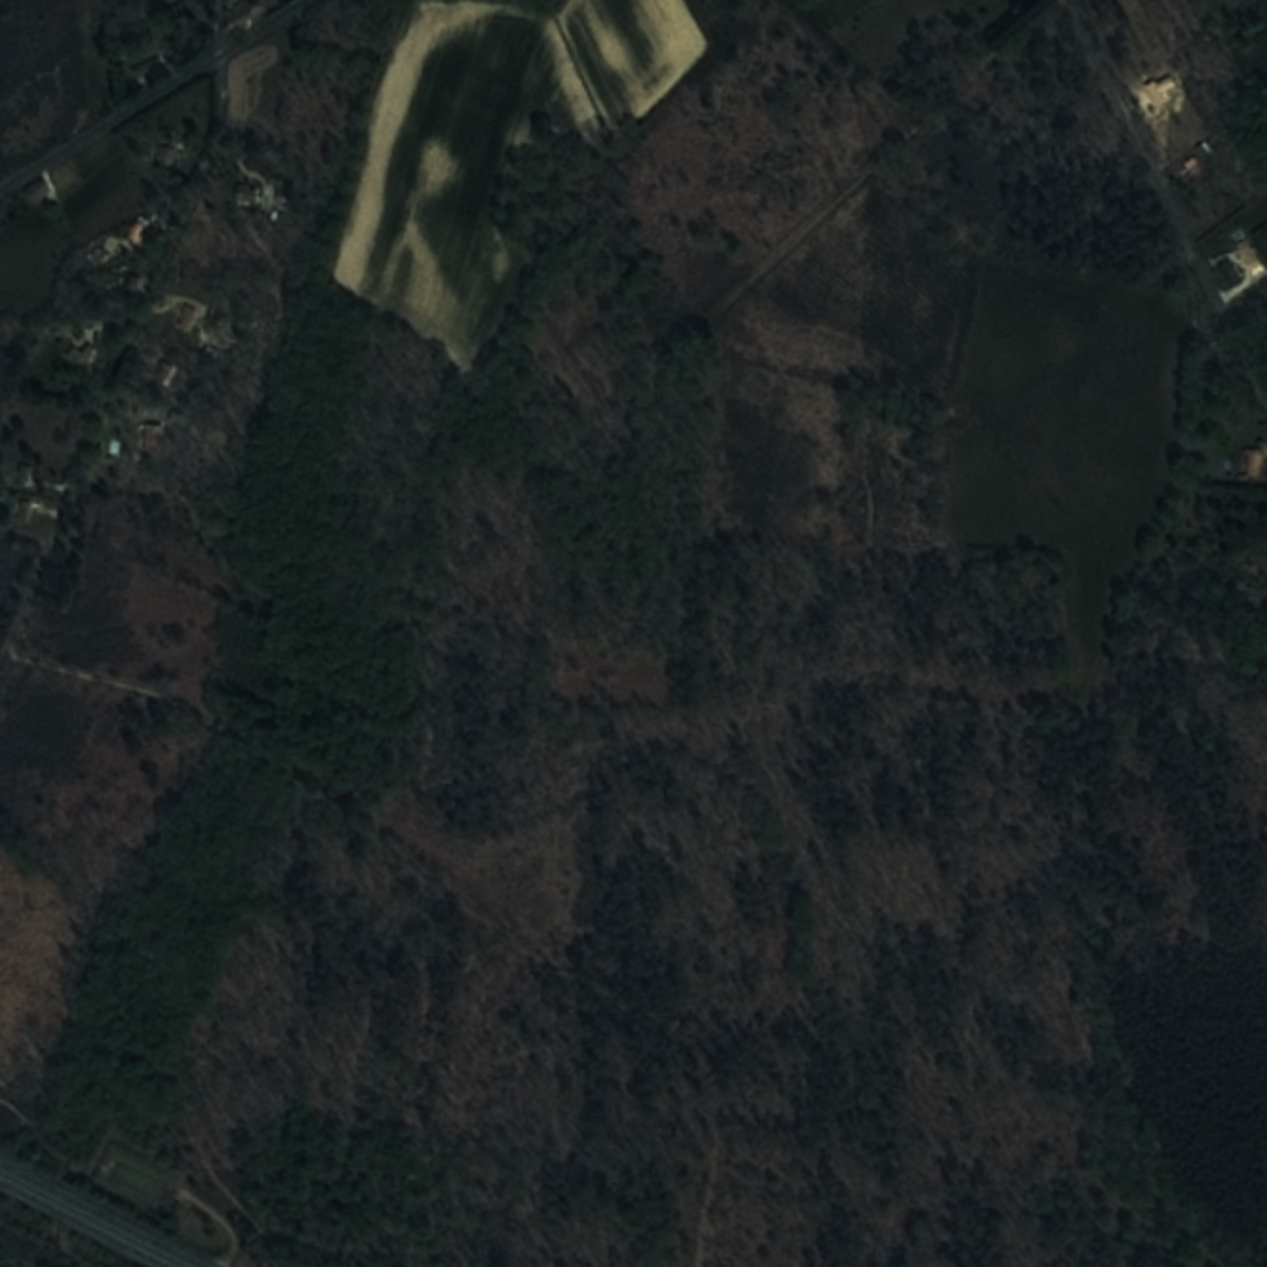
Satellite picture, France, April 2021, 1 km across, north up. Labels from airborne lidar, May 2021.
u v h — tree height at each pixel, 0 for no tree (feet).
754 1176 55
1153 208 69
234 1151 42
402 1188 60
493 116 0
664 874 76
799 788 69
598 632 55
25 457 33
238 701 56
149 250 52
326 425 83
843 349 0
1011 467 0
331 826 67
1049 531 0
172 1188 0
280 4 39
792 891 29
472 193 0
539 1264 42
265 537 80
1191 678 83
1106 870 56
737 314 0
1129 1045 58
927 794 74
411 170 0
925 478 40
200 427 57
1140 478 0
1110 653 29
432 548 68
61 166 0
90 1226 0
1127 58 69
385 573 77
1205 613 81
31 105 0
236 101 0
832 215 0
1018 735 24
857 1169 59
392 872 52
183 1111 70
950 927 57
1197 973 56
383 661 65
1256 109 76
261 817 59
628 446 62
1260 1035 60
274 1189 59
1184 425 50
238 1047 54
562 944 32
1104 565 0
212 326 42
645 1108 74
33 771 29
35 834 21
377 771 59
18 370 57
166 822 70
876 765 53
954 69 48
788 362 0
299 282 61
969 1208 38
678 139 0
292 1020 20
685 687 90
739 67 55
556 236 52
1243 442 0
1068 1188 44
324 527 69
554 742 24
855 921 59
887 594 30
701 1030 66
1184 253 50
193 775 43
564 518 70
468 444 68
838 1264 76
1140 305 0
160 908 82
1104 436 0
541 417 39
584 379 43
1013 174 66
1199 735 49
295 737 66
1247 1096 61
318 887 74
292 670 58
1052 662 59
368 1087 44
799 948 60
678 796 58
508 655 41
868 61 0
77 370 30
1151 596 67
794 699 48
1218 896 82
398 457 69
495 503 55
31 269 0
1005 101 46
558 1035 35
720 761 23
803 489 0
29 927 0
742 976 40
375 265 0
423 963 54
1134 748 62
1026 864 49
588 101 0
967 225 33
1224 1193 58
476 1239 24
